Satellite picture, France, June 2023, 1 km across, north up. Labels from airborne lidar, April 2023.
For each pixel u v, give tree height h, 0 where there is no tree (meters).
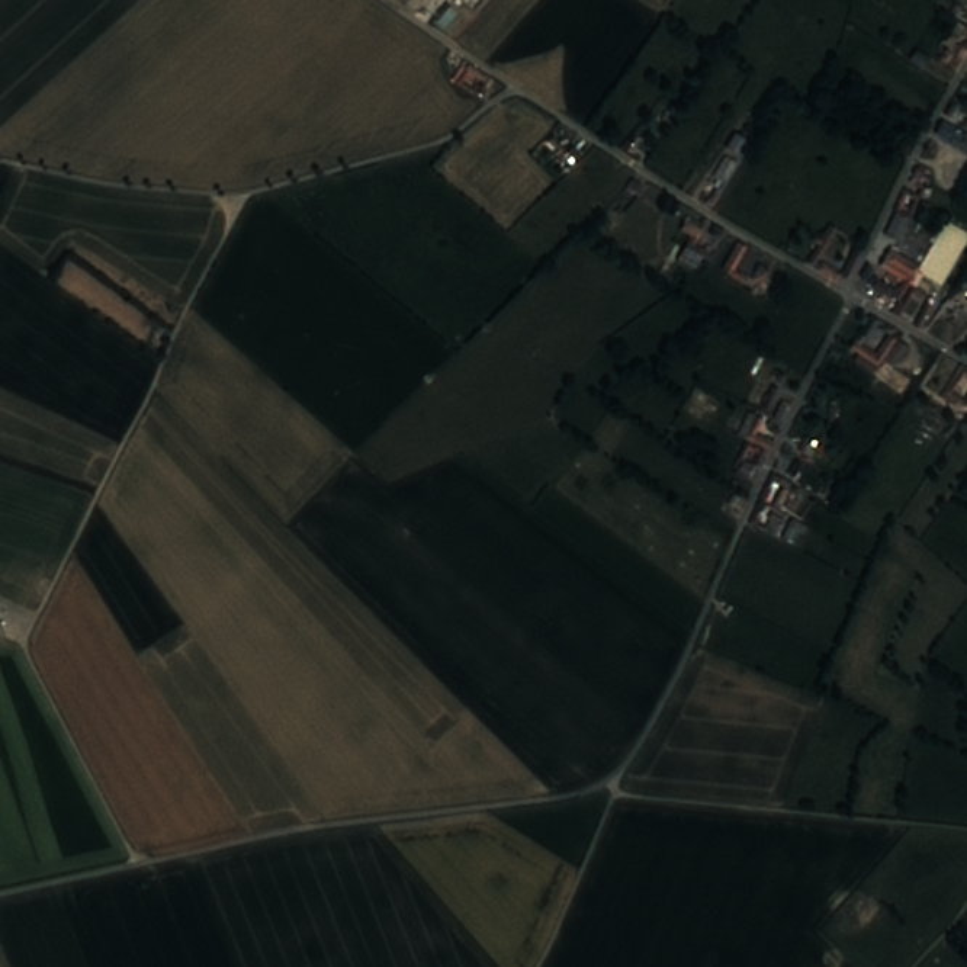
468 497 0
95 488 0
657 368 17
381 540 0
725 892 0
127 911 0
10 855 0
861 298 0
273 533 0
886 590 0
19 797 0
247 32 0
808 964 0
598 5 0
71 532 0
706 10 0
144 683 0
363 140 0
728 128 0
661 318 0
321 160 0
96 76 0
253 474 0
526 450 0
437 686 0
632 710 0
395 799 0
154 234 0
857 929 0
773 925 0
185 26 0
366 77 0
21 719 0
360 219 0
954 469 0
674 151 0
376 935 0
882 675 0
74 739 0
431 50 0
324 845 0
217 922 0
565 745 0
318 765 0
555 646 0
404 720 0
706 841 0
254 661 0
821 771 0
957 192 13
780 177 0
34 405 0
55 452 0
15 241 0
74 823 0
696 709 0
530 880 0
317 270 0
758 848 0
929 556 0
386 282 0
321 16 0
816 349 0
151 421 0
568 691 0
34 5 0
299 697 0
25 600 0
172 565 0
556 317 0
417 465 0
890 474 0
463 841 0
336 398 0
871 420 0
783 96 20
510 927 0
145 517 0
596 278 0
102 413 0
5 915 0
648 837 0
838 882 0
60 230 0
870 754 0
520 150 0
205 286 0
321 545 0
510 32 0
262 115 0
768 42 0
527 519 0
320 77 0
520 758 0
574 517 0
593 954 0
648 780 0
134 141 0
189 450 0
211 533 0
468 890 0
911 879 0
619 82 6
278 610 0
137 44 0
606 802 0
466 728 0
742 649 0
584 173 0
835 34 0
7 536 0
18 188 0
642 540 0
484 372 0
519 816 0
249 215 0
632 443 0
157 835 0
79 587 0
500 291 0
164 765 0
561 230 0
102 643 0
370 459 0
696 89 12
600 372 0
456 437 0
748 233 0
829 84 9
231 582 0
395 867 0
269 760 0
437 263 0
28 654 0
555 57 0
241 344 0
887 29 8
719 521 0
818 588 0
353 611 0
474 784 0
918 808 0
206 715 0
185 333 0
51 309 0
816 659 0
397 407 0
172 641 0
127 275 0
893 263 0
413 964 0
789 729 0
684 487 0
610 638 0
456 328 0
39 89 0
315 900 0
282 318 0
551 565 0
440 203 0
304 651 0
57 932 0
